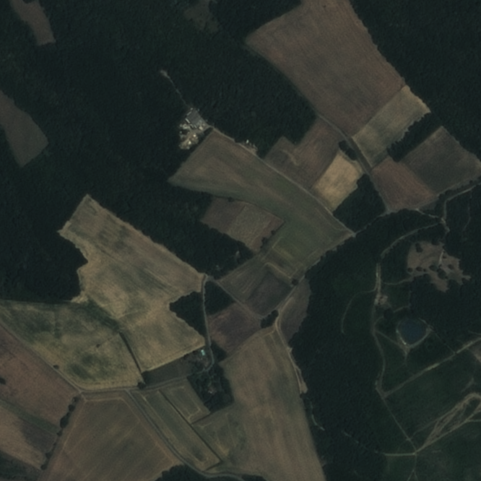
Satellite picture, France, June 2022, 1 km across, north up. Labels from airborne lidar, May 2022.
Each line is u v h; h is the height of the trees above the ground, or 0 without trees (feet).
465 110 40
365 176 43
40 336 0
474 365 0
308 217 0
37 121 48
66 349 0
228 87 39
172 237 40
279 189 0
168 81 40
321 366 49
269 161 0
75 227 0
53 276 59
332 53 0
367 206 41
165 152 34
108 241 0
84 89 45
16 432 0
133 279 0
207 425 0
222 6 60
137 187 67
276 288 0
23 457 0
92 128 52
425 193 0
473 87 39
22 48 41
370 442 54
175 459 0
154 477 0
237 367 0
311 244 0
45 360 0
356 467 46
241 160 0
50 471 0
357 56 0
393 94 0
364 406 59
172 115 31
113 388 0
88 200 0
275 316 41
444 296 34
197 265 51
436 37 66
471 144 54
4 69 48
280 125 38
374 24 43
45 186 26
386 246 43
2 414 0
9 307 0
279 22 0
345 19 0
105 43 47
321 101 0
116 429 0
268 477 0
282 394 0
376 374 50
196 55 58
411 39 65
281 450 0
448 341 25
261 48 0
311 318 33
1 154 31
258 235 0
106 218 0
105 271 0
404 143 41
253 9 44
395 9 63
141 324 0
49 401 0
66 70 33
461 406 0
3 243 69
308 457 0
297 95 57
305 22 0
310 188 0
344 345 59
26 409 0
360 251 46
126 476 0
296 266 0
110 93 47
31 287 60
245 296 0
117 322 0
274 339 0
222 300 44
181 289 0
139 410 0
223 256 58
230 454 0
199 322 35
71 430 0
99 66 43
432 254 0
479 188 34
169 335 0
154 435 0
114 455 0
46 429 0
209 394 46
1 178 72
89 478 0
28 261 54
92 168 46
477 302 52
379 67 0
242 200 0
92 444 0
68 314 0
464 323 60
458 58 47
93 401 0
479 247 42
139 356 0
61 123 25
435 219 22
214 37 48
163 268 0
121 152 46
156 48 36
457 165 0
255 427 0
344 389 49
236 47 53
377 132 0
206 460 0
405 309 25
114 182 53
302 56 0
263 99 71
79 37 46
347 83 0
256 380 0
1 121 0
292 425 0
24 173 33
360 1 47
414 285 66
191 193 45
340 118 0
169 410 0
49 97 45
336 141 0
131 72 46
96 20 46
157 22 52
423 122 45
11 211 61
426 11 67
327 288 50
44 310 0
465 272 34
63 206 32
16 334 0
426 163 0
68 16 39
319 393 39
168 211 43
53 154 21
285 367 0
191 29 45
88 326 0
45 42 0
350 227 30
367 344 22
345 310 41
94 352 0
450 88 46
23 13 0
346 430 45
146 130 50
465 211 26
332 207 0
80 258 38
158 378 0
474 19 60
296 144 24
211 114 44
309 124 39
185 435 0
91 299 0
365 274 37
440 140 0
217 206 0
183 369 0
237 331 0
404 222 43
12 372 0
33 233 38
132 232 0
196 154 0
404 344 0
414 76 53
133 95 45
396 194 0
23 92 47
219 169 0
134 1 59
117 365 0
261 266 0
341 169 0
